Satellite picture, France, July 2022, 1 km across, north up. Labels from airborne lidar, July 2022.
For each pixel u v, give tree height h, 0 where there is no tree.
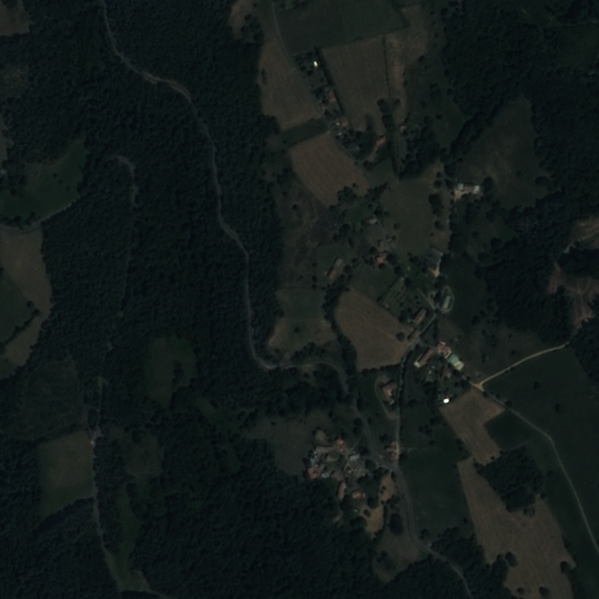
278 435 0
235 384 12
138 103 20
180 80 23
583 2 23
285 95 0
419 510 0
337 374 10
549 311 31
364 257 7
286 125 0
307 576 19
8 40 13
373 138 7
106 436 11
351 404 12
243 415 13
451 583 19
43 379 0
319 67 6
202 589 17
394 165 7
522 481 7
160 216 15
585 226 0
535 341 0
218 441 18
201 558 25
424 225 0
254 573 22
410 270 0
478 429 0
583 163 27
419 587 17
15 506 25
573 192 22
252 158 14
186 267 17
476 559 15
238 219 12
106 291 16
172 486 23
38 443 8
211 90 18
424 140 17
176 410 14
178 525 18
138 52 16
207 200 15
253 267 12
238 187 10
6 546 17
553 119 24
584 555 0
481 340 0
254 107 9
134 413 21
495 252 8
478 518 0
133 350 20
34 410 0
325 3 0
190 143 24
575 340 16
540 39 29
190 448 23
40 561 19
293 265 0
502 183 0
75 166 0
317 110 0
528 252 29
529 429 0
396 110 0
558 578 0
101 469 17
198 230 24
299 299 0
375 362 0
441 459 0
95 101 21
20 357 0
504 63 18
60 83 18
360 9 0
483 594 12
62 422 0
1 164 0
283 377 15
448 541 9
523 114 0
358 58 0
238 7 0
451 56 10
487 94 15
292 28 0
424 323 6
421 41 0
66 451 0
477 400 0
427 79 0
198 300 22
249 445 12
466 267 0
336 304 13
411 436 0
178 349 0
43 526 10
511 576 0
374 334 0
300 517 21
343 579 14
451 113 0
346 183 0
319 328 0
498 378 0
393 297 0
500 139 0
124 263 12
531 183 0
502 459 6
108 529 13
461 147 17
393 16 0
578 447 0
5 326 0
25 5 13
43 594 13
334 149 0
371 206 9
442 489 0
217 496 8
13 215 0
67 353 13
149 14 21
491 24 18
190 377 0
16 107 16
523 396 0
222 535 26
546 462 0
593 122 29
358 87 0
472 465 0
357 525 19
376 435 0
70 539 22
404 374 10
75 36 23
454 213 13
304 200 0
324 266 0
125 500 0
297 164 0
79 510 21
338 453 0
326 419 0
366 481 12
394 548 0
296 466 0
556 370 0
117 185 14
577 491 0
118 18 19
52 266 11
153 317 22
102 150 14
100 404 13
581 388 0
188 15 11
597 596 0
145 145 21
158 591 9
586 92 28
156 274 12
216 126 14
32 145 9
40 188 0
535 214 21
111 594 24
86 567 11
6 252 0
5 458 18
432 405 13
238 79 14
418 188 0
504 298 10
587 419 0
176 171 18
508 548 0
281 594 22
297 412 13
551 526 0
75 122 12
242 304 22
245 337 19
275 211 8
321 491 16
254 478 20
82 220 19
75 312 14
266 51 0
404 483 0
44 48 14
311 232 0
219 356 20
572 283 0
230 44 13
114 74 17
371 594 12
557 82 25
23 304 0
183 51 19
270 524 28
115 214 15
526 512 10
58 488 0
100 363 19
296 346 0
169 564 31
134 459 0
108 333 18
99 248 11
